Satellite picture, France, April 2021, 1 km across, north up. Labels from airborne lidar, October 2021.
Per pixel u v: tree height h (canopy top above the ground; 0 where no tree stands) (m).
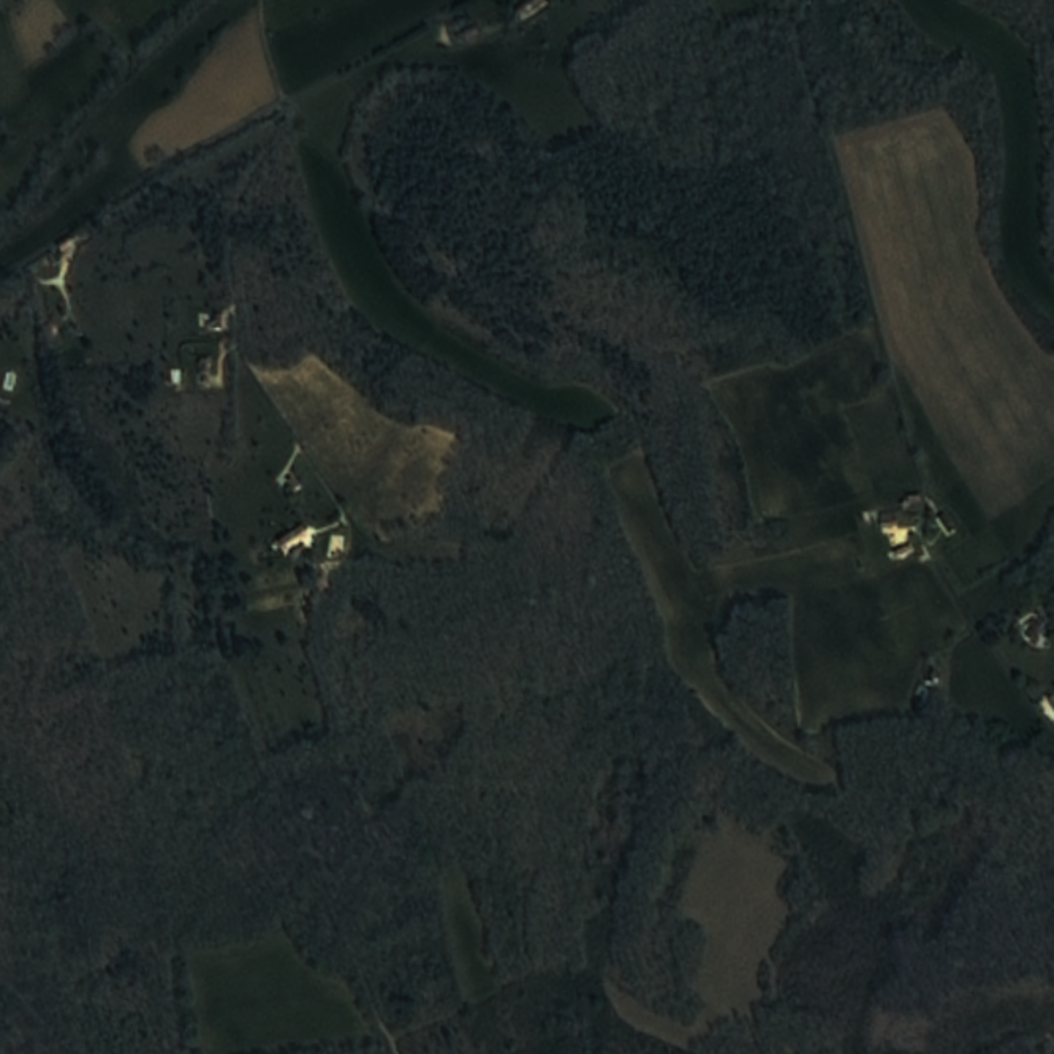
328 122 0
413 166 9
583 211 17
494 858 21
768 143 20
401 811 17
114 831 11
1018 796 21
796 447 0
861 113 18
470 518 11
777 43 16
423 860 22
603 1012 8
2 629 15
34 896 19
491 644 19
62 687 7
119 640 0
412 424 7
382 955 21
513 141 11
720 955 0
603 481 15
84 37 17
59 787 12
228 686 14
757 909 0
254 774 18
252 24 0
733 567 0
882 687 0
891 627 0
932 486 0
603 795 7
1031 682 10
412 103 7
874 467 0
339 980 17
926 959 18
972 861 8
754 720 0
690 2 20
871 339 0
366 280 0
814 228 24
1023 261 0
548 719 15
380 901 18
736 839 0
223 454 12
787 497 0
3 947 12
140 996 11
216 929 17
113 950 12
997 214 17
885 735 19
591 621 14
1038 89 12
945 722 20
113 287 8
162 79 0
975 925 19
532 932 15
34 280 14
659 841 20
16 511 15
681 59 19
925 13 0
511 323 14
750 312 23
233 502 0
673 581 0
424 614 17
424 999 9
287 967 0
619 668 19
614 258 10
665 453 12
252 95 0
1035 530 0
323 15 9
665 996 8
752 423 0
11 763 13
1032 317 6
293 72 0
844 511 0
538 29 0
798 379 0
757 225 20
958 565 0
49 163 12
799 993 7
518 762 14
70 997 21
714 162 18
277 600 0
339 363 7
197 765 22
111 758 14
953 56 6
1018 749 9
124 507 10
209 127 0
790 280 24
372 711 10
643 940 14
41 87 0
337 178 0
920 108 12
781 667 19
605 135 15
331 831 19
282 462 0
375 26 0
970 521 0
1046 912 19
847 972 8
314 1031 0
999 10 11
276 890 20
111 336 0
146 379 7
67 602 17
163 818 19
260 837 18
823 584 0
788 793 23
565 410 0
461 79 6
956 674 0
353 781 15
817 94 21
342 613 12
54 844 16
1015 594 14
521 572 18
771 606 19
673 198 17
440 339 0
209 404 0
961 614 0
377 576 19
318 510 0
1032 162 0
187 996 13
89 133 0
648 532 0
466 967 0
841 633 0
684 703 11
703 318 19
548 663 17
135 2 0
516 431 16
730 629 19
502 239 11
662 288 12
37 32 0
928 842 10
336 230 0
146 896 17
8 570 14
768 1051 15
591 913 18
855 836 15
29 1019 18
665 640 12
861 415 0
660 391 13
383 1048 12
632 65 20
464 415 15
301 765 23
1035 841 22
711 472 14
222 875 18
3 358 0
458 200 12
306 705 0
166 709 24
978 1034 6
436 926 20
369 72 0
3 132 18
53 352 14
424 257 17
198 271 0
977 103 12
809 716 0
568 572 17
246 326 13
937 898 8
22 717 12
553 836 16
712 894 0
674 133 20
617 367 17
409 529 18
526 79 0
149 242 0
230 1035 0
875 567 0
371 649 11
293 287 8
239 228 12
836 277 22
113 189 0
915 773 20
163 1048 11
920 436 0
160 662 17
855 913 7
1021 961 20
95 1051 19
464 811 14
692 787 11
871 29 13
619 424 10
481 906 17
